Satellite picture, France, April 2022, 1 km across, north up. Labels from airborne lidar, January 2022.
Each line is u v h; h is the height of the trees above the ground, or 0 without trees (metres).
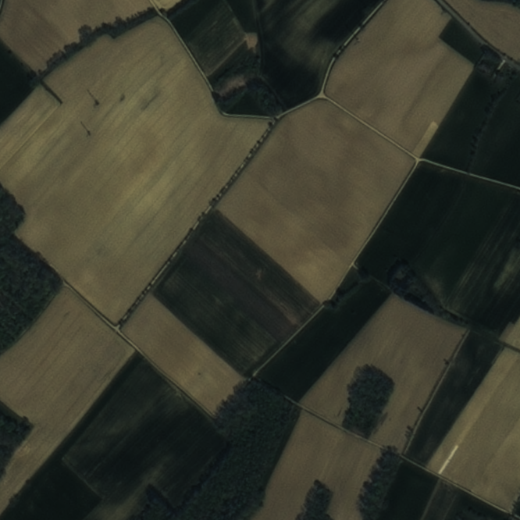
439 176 0
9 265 33
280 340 0
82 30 0
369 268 0
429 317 0
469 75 0
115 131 0
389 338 0
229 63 0
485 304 0
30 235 0
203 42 0
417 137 0
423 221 0
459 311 0
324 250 0
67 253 0
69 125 0
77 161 0
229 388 0
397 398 0
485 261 0
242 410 23
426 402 0
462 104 0
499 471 0
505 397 0
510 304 0
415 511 0
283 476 0
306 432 0
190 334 0
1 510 0
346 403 0
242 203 0
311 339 0
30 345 0
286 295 0
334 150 0
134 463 0
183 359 0
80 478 0
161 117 0
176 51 0
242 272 0
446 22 0
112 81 0
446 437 0
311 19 0
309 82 0
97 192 0
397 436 0
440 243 0
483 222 0
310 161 0
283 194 0
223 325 0
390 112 0
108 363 0
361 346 0
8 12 0
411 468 0
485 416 0
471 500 0
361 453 0
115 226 0
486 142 0
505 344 0
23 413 0
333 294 0
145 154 0
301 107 0
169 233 0
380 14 0
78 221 0
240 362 0
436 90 0
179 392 0
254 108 0
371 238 0
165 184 0
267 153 0
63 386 0
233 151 0
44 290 35
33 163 0
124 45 0
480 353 0
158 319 0
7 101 0
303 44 0
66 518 0
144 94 0
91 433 0
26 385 0
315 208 0
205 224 0
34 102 0
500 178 0
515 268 0
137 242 0
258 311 0
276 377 0
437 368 0
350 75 0
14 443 25
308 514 21
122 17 0
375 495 28
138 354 0
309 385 0
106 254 0
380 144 0
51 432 0
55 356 0
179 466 0
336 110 0
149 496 0
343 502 0
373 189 0
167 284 0
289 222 0
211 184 0
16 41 0
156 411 0
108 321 0
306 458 0
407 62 0
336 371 0
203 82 0
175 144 0
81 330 0
